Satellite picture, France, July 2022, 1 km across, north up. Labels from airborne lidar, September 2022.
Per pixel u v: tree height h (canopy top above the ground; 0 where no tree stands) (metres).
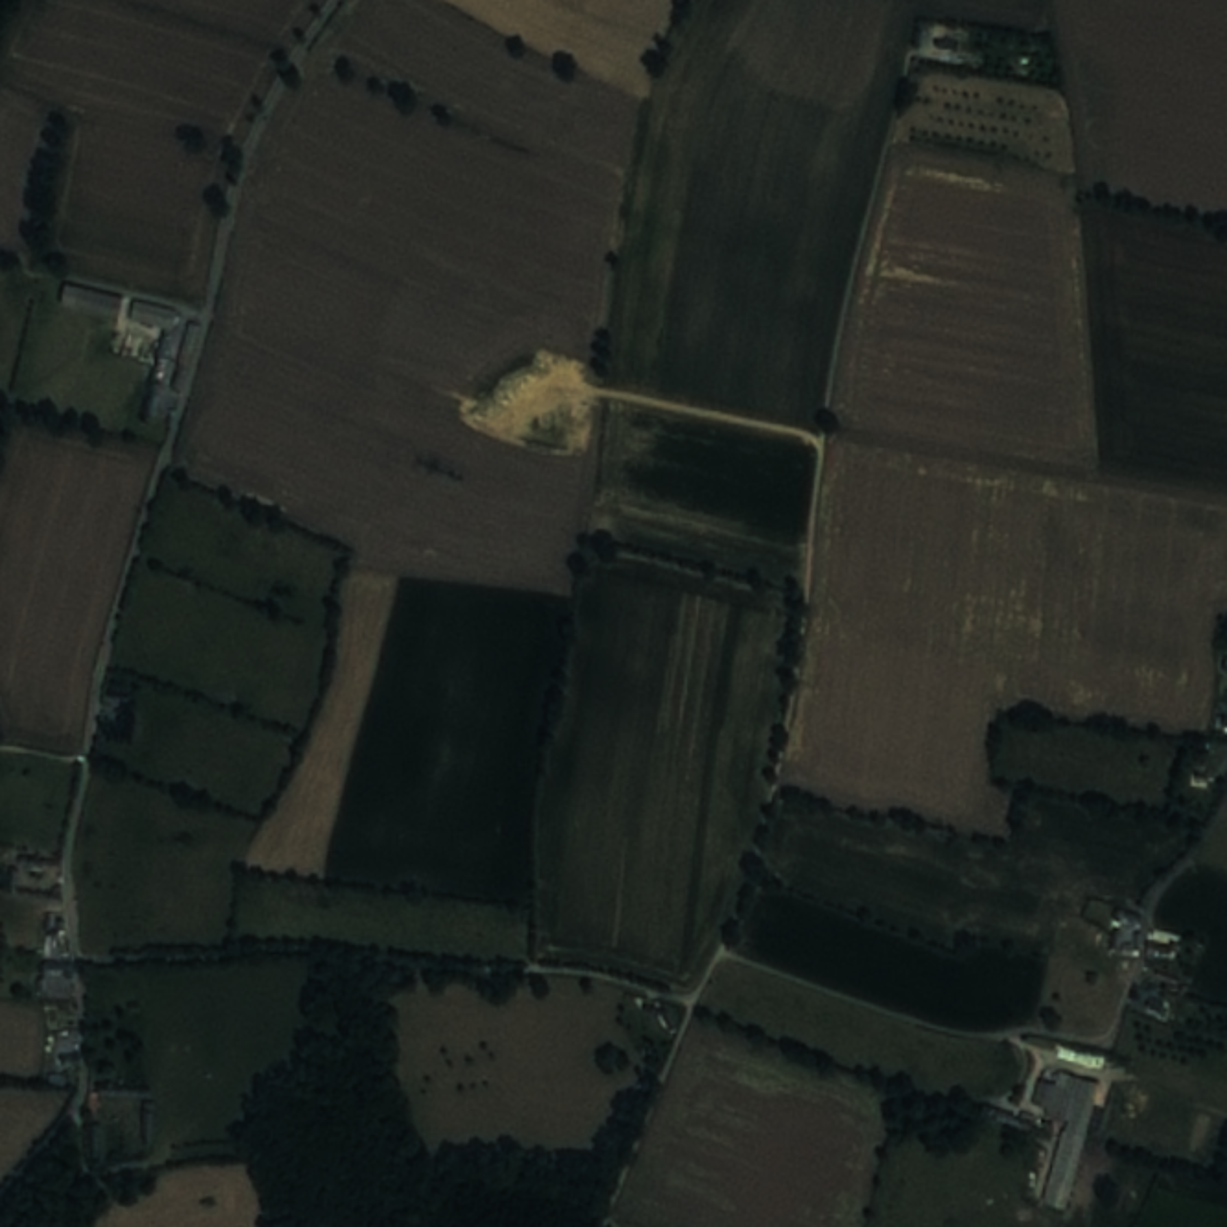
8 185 0
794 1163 0
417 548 0
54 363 0
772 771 10
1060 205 0
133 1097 0
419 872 0
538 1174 24
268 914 0
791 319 0
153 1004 0
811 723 0
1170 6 0
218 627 0
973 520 0
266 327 0
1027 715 17
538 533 0
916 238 0
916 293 0
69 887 0
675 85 0
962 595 0
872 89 0
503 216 0
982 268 0
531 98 0
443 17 0
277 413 0
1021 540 0
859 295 0
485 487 0
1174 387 0
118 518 0
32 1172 16
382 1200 13
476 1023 0
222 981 0
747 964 0
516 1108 0
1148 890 6
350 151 0
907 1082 14
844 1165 0
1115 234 0
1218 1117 0
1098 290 0
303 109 0
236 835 0
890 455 0
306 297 0
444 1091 0
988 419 0
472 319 0
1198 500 0
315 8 10
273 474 0
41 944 0
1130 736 16
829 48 0
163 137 0
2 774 0
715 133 0
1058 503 0
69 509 0
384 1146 12
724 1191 0
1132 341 0
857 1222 0
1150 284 0
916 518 0
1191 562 0
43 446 0
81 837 0
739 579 7
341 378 0
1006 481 0
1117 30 0
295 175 0
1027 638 0
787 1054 16
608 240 0
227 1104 0
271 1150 19
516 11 0
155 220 0
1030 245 0
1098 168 0
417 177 0
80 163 0
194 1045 0
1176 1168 10
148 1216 0
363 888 10
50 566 0
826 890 0
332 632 6
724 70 0
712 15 0
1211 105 0
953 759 0
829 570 0
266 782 0
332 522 0
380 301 0
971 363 0
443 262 0
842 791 0
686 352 0
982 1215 0
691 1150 0
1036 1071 0
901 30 0
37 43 0
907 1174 0
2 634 0
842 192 0
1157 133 0
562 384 0
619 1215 0
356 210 0
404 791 0
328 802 0
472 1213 12
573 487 0
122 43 0
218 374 0
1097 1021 0
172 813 0
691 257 0
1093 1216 0
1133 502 0
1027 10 0
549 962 7
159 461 0
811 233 0
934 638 0
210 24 0
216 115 0
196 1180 0
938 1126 18
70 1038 0
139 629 0
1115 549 0
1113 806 11
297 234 0
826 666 0
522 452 0
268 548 0
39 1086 11
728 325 0
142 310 0
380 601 0
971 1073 0
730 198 0
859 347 0
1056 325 0
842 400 0
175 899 0
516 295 0
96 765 18
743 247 0
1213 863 0
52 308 0
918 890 0
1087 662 0
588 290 0
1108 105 0
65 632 0
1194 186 0
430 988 17
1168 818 11
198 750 0
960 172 0
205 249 0
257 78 0
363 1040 19
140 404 0
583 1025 0
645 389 0
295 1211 14
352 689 0
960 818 0
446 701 0
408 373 0
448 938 0
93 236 0
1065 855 0
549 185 0
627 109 0
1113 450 0
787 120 0
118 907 0
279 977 0
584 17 0
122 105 0
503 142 0
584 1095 0
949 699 0
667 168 0
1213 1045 7
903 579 0
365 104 0
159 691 9
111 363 0
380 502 0
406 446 0
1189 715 0
